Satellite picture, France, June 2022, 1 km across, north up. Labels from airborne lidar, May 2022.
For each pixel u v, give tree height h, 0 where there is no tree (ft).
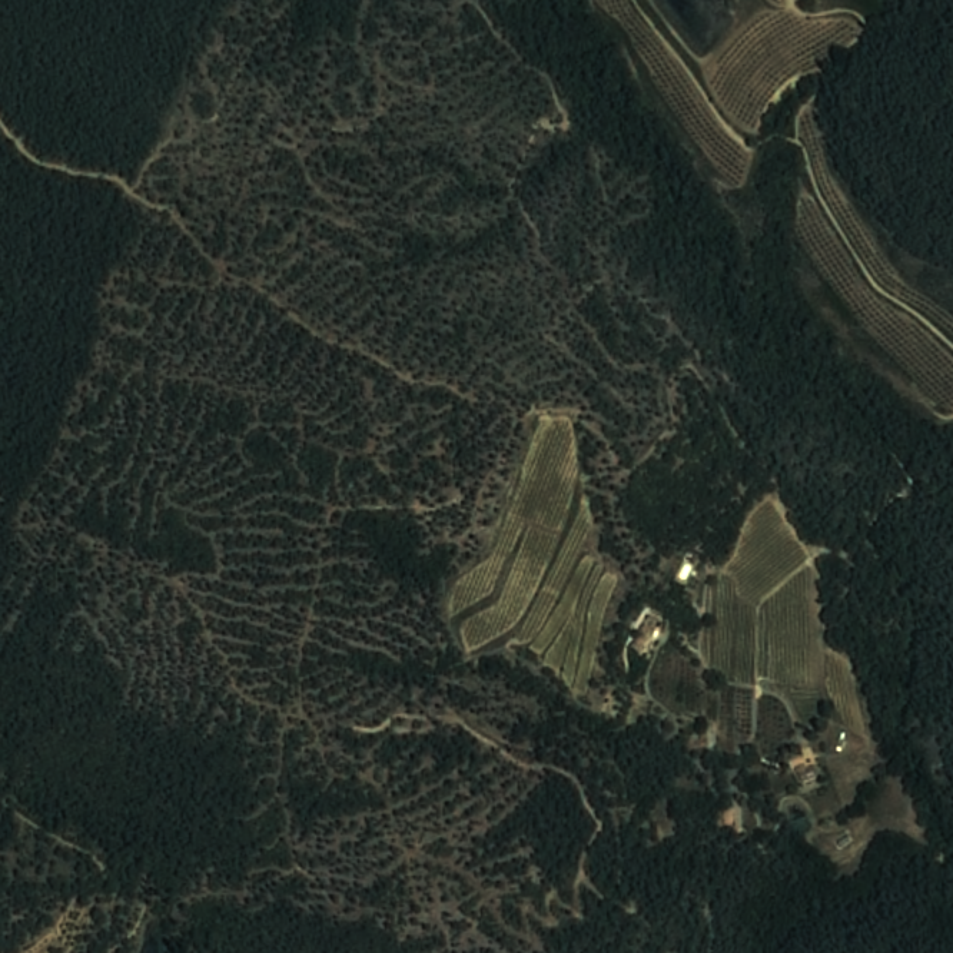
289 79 23
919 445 51
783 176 39
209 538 21
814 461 42
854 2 0
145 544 21
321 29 50
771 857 56
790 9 0
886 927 48
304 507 29
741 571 0
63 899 33
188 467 30
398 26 19
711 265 64
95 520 31
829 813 0
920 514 46
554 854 53
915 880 52
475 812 53
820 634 0
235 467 22
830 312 0
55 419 26
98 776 24
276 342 44
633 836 59
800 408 29
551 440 0
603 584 0
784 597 0
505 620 0
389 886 39
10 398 38
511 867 57
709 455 27
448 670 30
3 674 23
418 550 22
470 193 25
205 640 39
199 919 23
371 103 43
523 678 31
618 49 63
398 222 29
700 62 0
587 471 27
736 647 0
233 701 29
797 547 0
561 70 38
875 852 50
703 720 39
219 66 22
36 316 38
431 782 20
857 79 52
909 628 81
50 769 20
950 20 50
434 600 59
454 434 25
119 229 28
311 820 21
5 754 25
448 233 43
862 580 69
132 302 25
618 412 24
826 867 52
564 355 37
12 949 48
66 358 46
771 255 51
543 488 0
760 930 36
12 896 45
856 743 0
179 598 30
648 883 56
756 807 56
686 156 20
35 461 34
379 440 38
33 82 37
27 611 26
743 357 39
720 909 69
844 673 0
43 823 23
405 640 54
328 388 39
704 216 30
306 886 39
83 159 46
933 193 51
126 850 68
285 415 21
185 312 35
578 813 52
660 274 45
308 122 41
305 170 38
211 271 33
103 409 29
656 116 41
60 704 38
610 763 22
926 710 39
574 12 50
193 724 33
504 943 51
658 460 19
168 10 36
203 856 48
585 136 26
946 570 30
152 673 31
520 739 67
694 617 38
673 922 43
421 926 38
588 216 50
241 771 18
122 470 22
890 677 63
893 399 25
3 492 46
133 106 35
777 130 40
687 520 34
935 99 40
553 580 0
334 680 48
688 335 37
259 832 17
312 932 18
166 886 37
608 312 29
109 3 40
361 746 47
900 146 54
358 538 38
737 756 33
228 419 27
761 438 43
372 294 30
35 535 23
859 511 58
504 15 58
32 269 45
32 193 26
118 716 31
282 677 21
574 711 52
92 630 28
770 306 47
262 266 23
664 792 65
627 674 28
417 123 43
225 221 25
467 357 42
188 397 30
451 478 28
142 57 34
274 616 46
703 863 62
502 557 0
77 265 32
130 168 27
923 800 53
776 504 0
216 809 34
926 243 54
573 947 37
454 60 43
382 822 19
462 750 44
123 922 43
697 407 46
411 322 44
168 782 18
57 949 26
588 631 0
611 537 21
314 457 25
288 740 20
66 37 41
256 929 19
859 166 55
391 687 37
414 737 29
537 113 56
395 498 23
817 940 41
